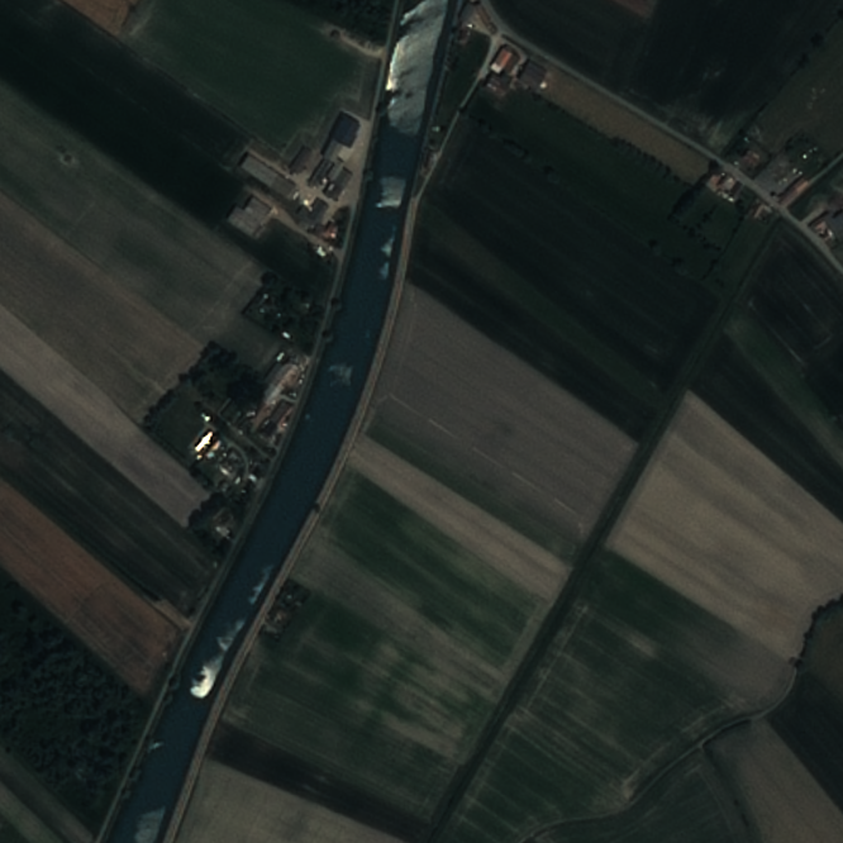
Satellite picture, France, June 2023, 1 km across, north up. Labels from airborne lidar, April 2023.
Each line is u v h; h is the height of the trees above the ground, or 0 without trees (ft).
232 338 0
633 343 0
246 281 0
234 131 0
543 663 0
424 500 0
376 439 0
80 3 0
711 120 0
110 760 44
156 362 0
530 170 0
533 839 0
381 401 0
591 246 0
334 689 0
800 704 0
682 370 0
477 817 0
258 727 0
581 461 0
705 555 0
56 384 0
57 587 0
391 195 0
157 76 0
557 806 0
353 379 0
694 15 0
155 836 0
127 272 0
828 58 0
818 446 0
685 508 0
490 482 0
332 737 0
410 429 0
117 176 0
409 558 0
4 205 0
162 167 0
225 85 0
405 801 0
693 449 0
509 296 0
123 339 0
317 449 0
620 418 0
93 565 0
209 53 0
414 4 0
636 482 0
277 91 0
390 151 0
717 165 46
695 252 0
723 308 0
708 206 0
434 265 0
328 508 0
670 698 0
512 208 0
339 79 0
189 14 0
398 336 0
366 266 0
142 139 0
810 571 0
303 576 0
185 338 0
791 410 0
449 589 0
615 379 0
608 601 0
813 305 0
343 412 0
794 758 0
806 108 0
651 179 0
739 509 0
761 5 0
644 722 0
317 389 0
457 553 0
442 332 0
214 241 0
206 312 0
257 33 0
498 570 0
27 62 0
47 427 0
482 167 0
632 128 0
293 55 0
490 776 0
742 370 0
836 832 0
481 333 0
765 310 0
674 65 0
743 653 0
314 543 0
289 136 0
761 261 0
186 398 0
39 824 0
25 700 40
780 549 0
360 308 0
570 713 0
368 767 0
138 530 0
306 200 0
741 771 0
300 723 0
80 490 0
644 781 0
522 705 0
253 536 0
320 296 0
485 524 0
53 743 22
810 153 0
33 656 24
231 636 0
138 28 0
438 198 0
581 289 0
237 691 0
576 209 0
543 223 0
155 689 0
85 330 0
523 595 0
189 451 0
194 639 0
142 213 0
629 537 0
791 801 0
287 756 0
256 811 0
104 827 0
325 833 0
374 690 0
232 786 0
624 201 0
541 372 0
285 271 0
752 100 0
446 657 0
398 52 0
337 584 0
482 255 0
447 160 0
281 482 0
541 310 0
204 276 0
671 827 0
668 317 0
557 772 0
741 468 0
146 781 0
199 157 0
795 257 0
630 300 0
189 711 0
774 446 0
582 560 0
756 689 0
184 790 0
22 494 0
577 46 0
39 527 0
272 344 0
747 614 0
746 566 0
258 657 0
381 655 0
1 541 0
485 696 0
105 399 0
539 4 0
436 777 0
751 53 0
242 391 90
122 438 0
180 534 0
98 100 0
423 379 0
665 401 0
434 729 0
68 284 0
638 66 0
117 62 0
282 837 0
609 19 0
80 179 0
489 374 0
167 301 0
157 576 0
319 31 0
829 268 0
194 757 0
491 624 0
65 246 0
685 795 0
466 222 0
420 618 0
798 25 0
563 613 0
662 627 0
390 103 0
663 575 0
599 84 0
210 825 0
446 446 0
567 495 0
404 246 0
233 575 0
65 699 27
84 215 0
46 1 0
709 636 0
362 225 0
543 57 0
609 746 0
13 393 0
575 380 0
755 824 0
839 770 0
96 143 0
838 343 0
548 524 0
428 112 0
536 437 0
